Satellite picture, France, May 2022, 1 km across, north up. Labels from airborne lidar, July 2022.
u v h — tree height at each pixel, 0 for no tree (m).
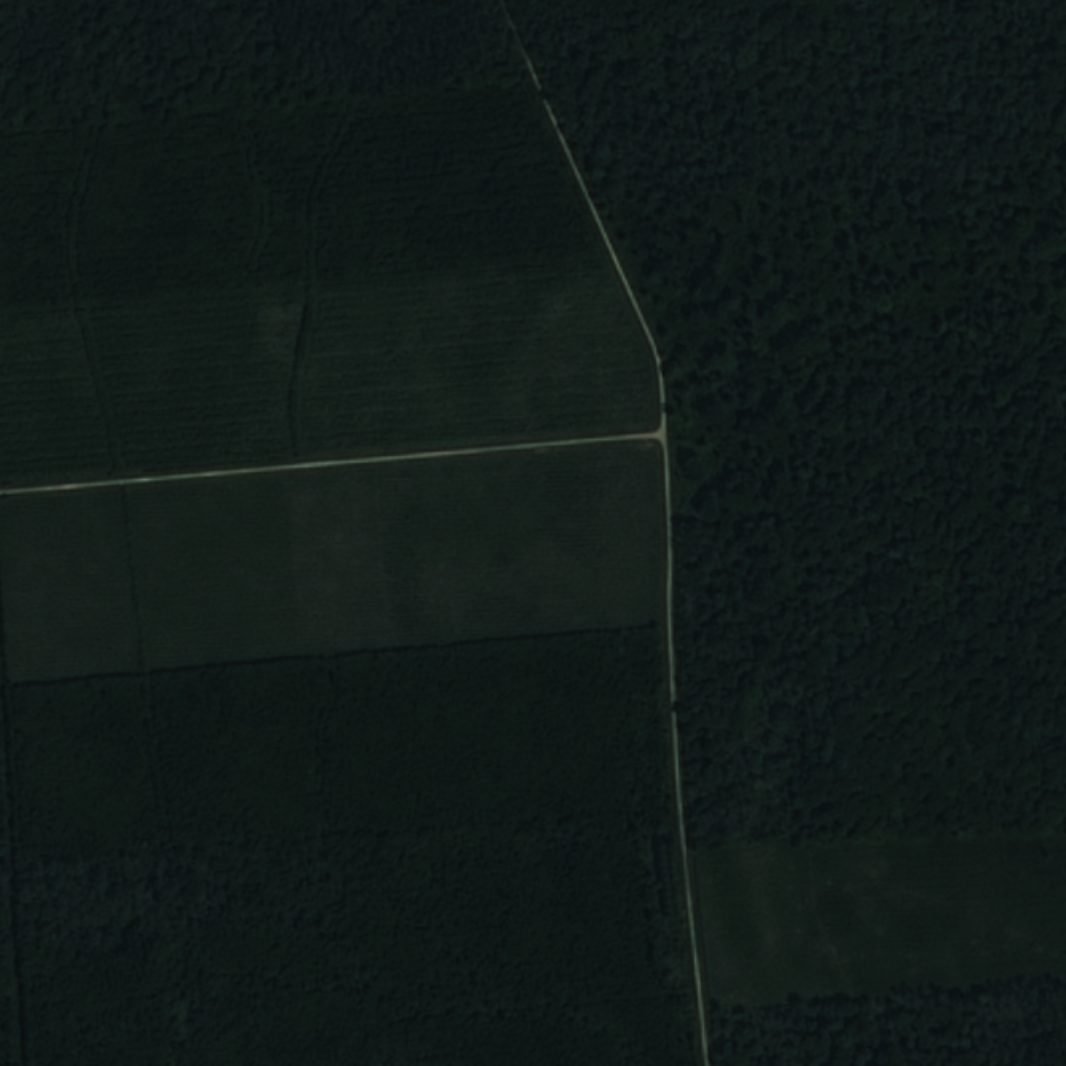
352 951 7
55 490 0
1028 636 23
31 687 11
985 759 22
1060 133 20
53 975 14
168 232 11
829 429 28
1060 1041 35
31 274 8
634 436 0
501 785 12
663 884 22
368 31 29
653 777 10
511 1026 13
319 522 0
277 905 14
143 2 22
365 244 7
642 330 0
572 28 22
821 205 24
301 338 8
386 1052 13
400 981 12
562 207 9
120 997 14
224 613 0
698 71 21
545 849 12
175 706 13
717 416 29
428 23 34
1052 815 24
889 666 28
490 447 0
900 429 21
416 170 11
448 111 7
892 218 22
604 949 13
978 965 0
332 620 0
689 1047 8
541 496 0
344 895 14
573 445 0
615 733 11
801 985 0
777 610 11
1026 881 0
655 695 9
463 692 12
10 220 9
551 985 13
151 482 0
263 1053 13
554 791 11
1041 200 29
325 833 11
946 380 18
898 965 0
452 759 13
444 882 14
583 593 0
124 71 21
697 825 16
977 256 17
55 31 22
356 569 0
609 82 8
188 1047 13
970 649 17
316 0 33
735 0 18
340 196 10
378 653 10
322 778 10
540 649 11
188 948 14
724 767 10
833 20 23
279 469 0
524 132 7
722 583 9
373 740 11
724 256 16
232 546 0
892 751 23
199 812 10
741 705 26
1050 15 24
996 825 21
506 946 13
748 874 0
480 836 13
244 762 12
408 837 14
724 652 27
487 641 9
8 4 23
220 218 9
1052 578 23
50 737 11
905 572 23
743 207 18
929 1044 18
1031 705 22
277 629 0
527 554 0
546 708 13
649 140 18
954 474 14
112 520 0
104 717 11
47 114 12
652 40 28
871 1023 14
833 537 17
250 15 25
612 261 0
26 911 20
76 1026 10
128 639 0
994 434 18
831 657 23
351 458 0
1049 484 23
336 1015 14
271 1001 13
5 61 26
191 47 22
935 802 27
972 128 14
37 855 11
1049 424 19
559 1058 14
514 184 9
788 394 22
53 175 8
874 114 16
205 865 17
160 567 0
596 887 14
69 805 12
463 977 12
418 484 0
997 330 20
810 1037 24
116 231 9
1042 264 20
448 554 0
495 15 19
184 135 8
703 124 27
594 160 20
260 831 12
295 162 8
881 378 22
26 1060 12
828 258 9
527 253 8
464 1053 13
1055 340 14
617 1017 10
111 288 10
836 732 23
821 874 0
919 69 15
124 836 13
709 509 25
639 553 0
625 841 14
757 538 16
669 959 8
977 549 24
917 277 20
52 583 0
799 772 17
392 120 9
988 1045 34
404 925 12
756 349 23
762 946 0
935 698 23
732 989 0
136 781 12
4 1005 19
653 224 6
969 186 22
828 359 22
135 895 28
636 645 11
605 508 0
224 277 7
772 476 22
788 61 22
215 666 9
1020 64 24
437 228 9
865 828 19
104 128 9
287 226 7
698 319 23
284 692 13
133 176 8
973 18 22
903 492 22
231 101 23
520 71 11
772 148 22
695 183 7
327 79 20
